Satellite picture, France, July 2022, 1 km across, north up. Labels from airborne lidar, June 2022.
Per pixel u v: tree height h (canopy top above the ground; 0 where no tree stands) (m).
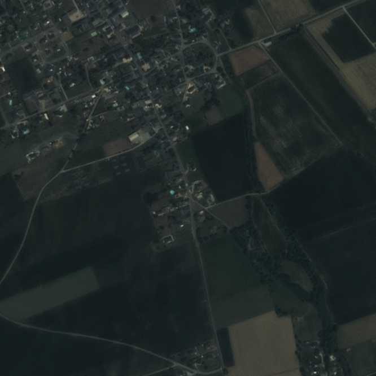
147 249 0
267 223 0
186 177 0
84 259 0
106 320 0
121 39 0
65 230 0
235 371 0
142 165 0
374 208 0
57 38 0
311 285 0
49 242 0
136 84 10
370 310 0
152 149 9
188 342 0
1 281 0
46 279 0
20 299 0
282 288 0
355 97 0
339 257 0
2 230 0
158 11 0
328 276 0
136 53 6
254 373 0
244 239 12
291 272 0
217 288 0
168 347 0
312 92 0
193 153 0
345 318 0
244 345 0
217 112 0
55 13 0
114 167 0
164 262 0
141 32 8
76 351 0
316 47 0
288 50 0
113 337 0
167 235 0
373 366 0
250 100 0
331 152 0
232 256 0
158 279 0
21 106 0
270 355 0
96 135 0
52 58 0
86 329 0
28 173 0
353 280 0
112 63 9
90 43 7
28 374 0
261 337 0
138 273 0
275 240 0
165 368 0
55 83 0
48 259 0
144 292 0
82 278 0
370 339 0
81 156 0
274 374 0
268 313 0
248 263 0
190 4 8
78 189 0
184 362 14
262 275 11
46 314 0
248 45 0
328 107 0
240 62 0
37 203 0
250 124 10
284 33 0
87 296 0
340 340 0
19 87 0
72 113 11
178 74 5
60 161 0
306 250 0
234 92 0
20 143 0
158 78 12
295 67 0
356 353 0
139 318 0
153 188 0
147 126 0
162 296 0
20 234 0
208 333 0
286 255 13
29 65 0
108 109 10
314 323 0
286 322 0
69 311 0
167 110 16
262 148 0
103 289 0
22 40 0
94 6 8
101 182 0
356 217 0
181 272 0
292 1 0
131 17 0
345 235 0
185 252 0
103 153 0
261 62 0
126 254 0
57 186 0
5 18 8
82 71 11
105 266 0
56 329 0
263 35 0
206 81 6
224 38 0
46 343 0
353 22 0
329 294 0
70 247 0
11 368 0
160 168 0
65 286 0
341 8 0
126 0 15
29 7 0
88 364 0
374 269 0
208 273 0
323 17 0
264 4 0
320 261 0
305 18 0
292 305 0
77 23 11
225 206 0
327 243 0
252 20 0
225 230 7
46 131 0
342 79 0
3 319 0
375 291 0
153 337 0
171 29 10
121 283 0
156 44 6
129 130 0
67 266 0
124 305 0
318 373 0
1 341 0
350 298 0
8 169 0
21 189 0
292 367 0
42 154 0
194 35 8
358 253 0
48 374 0
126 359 0
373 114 0
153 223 0
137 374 0
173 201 11
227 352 0
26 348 0
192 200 0
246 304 0
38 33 0
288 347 0
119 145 0
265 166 0
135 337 0
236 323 0
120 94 0
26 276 0
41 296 0
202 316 0
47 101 0
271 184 0
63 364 0
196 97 0
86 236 0
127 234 0
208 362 0
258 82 0
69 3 0
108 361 0
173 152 12
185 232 0
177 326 0
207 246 0
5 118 0
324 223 0
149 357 0
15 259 0
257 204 0
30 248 0
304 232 0
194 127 0
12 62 0
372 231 0
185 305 0
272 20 0
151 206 11
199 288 0
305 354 0
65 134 0
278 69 0
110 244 0
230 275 0
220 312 0
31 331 0
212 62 6
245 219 0
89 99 0
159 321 0
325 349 16
